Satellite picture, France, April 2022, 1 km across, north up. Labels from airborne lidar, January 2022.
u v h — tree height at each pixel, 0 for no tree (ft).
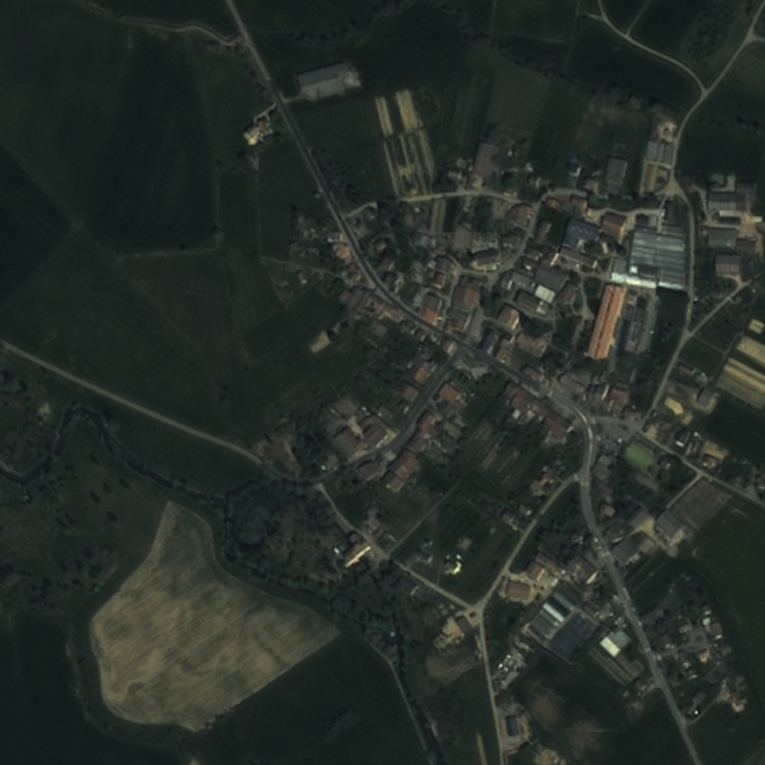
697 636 0
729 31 0
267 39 0
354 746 0
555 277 0
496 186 0
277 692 0
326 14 0
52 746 0
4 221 0
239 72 0
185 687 0
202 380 0
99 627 0
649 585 0
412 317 0
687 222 0
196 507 0
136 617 0
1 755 0
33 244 0
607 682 0
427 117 0
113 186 0
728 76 0
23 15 0
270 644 0
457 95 0
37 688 0
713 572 0
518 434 30
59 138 0
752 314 0
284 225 0
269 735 0
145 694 0
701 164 0
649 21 0
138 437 0
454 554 0
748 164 0
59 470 0
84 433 0
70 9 0
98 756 0
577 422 0
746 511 0
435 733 0
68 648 0
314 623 0
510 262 0
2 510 0
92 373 0
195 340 0
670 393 0
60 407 0
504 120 0
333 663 0
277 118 45
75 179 0
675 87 0
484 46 49
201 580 0
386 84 0
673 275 0
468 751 0
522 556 0
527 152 22
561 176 0
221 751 0
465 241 0
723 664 0
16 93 0
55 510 0
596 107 0
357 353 0
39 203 0
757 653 0
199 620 0
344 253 0
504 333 20
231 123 0
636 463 0
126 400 0
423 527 0
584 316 0
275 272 0
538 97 0
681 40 0
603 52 0
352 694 0
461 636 0
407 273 24
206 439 0
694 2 0
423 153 0
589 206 27
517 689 0
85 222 0
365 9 0
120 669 0
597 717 0
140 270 0
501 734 0
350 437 0
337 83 0
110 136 0
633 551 0
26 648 0
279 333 0
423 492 0
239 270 0
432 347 25
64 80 0
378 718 0
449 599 0
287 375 0
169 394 0
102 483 0
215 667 0
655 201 31
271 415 0
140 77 0
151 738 0
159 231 0
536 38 0
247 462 0
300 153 0
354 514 0
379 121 0
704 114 0
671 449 0
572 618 0
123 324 0
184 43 0
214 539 0
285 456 0
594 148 0
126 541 0
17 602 0
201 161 0
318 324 0
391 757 0
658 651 31
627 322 0
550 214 0
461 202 0
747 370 0
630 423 0
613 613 31
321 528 42
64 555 0
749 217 0
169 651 0
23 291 0
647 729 0
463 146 0
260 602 0
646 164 0
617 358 0
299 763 0
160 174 0
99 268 0
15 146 0
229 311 0
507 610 0
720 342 0
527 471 0
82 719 0
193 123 0
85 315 0
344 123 0
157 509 0
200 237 0
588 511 0
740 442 0
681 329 0
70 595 52
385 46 0
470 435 33
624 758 0
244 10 0
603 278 0
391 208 40
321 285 23
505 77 0
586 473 0
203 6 0
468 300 0
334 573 30
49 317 0
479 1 0
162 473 0
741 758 0
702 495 0
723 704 0
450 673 0
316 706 0
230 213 0
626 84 0
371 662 0
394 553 0
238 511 44
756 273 0
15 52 0
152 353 0
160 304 0
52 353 0
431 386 0
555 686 0
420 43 0
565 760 0
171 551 0
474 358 0
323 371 0
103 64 0
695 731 0
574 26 0
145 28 0
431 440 0
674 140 0
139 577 0
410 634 0
